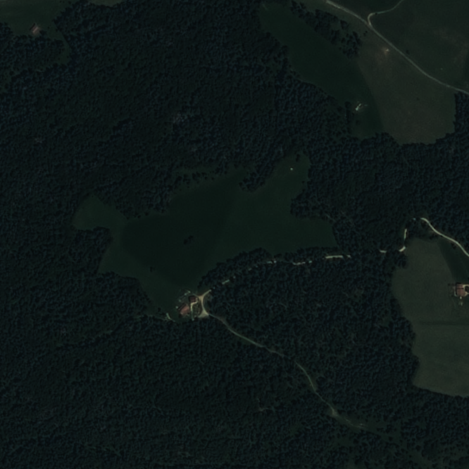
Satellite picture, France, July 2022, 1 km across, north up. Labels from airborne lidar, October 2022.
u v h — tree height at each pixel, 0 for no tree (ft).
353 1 0
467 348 0
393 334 86
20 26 0
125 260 0
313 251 51
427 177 79
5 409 68
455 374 0
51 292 76
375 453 46
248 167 56
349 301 99
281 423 81
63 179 76
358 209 90
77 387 81
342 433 46
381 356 92
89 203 0
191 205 0
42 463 87
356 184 75
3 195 57
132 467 92
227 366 62
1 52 53
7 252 85
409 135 0
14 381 33
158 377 55
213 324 81
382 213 72
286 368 30
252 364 89
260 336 85
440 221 74
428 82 0
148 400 54
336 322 84
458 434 59
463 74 0
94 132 78
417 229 32
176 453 48
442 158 60
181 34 99
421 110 0
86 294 69
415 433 52
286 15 0
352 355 68
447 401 83
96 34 41
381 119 0
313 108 34
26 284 65
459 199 83
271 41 61
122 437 62
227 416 34
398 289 0
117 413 39
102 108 73
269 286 67
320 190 77
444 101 0
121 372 69
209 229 0
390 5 0
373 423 0
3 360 83
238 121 85
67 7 0
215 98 82
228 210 0
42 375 92
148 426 64
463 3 0
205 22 50
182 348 65
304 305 32
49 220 82
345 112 54
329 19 56
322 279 70
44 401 72
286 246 0
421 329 0
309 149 70
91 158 74
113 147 82
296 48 0
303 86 86
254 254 53
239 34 76
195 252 0
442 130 0
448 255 0
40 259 68
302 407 85
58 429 74
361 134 0
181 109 64
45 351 81
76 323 55
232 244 0
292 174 0
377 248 23
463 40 0
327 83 0
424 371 0
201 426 31
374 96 0
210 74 103
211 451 68
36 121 81
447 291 0
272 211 0
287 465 67
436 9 0
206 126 97
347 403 58
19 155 76
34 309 79
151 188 80
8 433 76
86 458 67
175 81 85
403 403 63
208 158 82
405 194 50
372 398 61
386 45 0
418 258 0
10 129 63
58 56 65
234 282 87
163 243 0
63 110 64
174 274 0
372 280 62
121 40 101
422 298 0
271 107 60
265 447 72
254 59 67
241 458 68
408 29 0
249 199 0
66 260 75
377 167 80
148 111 85
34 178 103
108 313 30
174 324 56
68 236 60
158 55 82
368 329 60
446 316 0
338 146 47
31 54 90
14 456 78
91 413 58
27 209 65
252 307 43
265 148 53
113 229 0
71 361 71
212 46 91
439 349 0
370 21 0
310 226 0
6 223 80
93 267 46
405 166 74
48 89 30
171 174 59
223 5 37
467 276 0
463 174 80
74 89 73
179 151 83
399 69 0
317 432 64
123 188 93
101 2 0
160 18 76
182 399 53
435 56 0
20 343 82
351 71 0
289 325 62
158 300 0
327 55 0
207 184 0
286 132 62
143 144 64
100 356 59
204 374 60
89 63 100
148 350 77
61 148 84
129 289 58
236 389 62
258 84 56
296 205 42
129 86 95
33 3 0
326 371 28
